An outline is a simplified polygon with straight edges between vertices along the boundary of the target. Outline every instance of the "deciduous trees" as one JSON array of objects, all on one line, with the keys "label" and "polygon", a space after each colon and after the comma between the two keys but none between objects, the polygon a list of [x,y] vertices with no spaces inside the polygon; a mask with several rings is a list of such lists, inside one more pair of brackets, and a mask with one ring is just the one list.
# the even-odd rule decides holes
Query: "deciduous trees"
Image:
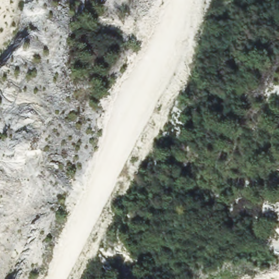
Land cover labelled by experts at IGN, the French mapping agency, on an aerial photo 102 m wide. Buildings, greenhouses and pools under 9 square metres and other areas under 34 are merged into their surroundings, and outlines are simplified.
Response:
[{"label": "deciduous trees", "polygon": [[222,78],[221,81],[206,82],[206,88],[211,94],[223,99],[223,112],[244,116],[246,109],[239,108],[242,101],[234,101],[234,97],[241,96],[247,90],[244,75],[248,66],[241,64],[235,74]]},{"label": "deciduous trees", "polygon": [[147,169],[139,167],[135,173],[139,178],[137,185],[144,187],[148,194],[139,193],[136,203],[122,201],[122,204],[128,207],[129,214],[133,217],[139,215],[150,222],[149,225],[133,223],[129,231],[120,232],[121,241],[130,256],[137,258],[139,254],[150,253],[157,266],[170,266],[174,274],[173,279],[193,279],[193,272],[198,270],[206,274],[207,271],[221,267],[225,262],[238,265],[242,258],[245,259],[252,257],[251,252],[262,252],[263,245],[268,243],[266,240],[259,239],[256,234],[251,236],[241,223],[228,229],[226,217],[218,214],[217,209],[222,209],[221,205],[203,207],[201,202],[195,202],[192,197],[177,198],[172,193],[166,195],[161,190],[163,185],[171,185],[174,191],[180,193],[198,186],[196,180],[183,177],[179,168],[157,163],[154,173],[150,173]]},{"label": "deciduous trees", "polygon": [[196,47],[201,52],[216,48],[226,49],[238,37],[238,29],[242,25],[262,17],[275,16],[276,23],[279,24],[279,0],[232,0],[229,21],[204,19],[201,24],[203,35],[195,40]]}]

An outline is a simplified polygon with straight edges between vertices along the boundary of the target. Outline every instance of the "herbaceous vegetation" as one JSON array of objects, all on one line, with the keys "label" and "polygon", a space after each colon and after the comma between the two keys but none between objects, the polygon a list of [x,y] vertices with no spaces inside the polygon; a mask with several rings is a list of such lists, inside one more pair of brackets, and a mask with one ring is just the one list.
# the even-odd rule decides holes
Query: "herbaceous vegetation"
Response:
[{"label": "herbaceous vegetation", "polygon": [[225,262],[221,267],[207,271],[206,274],[198,270],[193,272],[193,279],[254,279],[257,275],[255,267],[245,259],[242,258],[238,265]]},{"label": "herbaceous vegetation", "polygon": [[121,241],[120,232],[108,228],[99,247],[106,251],[113,250],[114,244]]}]

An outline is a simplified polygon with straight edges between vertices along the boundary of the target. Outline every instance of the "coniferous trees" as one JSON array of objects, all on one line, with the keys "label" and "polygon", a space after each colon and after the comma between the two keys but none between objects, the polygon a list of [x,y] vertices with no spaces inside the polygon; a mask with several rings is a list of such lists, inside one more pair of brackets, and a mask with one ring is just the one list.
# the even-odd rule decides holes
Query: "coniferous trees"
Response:
[{"label": "coniferous trees", "polygon": [[101,263],[100,258],[95,256],[88,260],[81,279],[173,279],[174,274],[170,266],[157,266],[150,253],[139,254],[137,258],[137,262],[130,263],[125,262],[122,255],[114,255],[109,256],[105,263]]},{"label": "coniferous trees", "polygon": [[204,19],[229,21],[232,0],[211,0]]},{"label": "coniferous trees", "polygon": [[139,215],[133,217],[129,214],[128,207],[122,204],[122,201],[136,203],[139,193],[148,194],[144,187],[137,185],[139,178],[135,173],[129,190],[124,195],[112,199],[114,217],[108,228],[120,232],[129,231],[133,223],[149,225],[150,222]]},{"label": "coniferous trees", "polygon": [[[182,111],[179,120],[185,125],[185,129],[181,130],[180,135],[173,132],[163,137],[157,136],[154,139],[153,150],[139,167],[147,169],[150,173],[154,173],[157,163],[179,168],[183,177],[196,180],[198,186],[180,193],[174,191],[171,185],[163,185],[161,190],[166,195],[172,193],[177,198],[192,197],[195,202],[201,202],[203,207],[221,205],[222,209],[217,209],[218,214],[226,217],[228,229],[241,223],[251,236],[256,234],[259,239],[266,240],[268,243],[263,245],[262,252],[251,252],[252,257],[245,259],[255,267],[264,270],[279,264],[279,24],[276,23],[275,16],[262,17],[242,25],[238,29],[238,37],[226,49],[216,48],[201,52],[196,47],[190,64],[189,80],[185,89],[180,90],[178,95],[178,108]],[[206,82],[221,81],[222,78],[235,74],[241,64],[248,66],[244,75],[247,90],[241,96],[234,97],[234,101],[242,101],[239,108],[246,109],[244,116],[223,112],[223,99],[211,94],[206,88]]]}]

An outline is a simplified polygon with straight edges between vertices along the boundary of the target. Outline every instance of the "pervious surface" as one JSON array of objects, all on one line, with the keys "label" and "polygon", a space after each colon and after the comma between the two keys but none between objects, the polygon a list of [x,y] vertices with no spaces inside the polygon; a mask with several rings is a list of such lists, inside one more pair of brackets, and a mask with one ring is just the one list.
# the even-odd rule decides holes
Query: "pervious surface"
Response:
[{"label": "pervious surface", "polygon": [[[137,258],[130,256],[121,241],[114,244],[113,250],[106,251],[99,247],[108,228],[114,217],[112,199],[124,195],[129,190],[135,173],[139,167],[153,150],[154,139],[157,136],[163,137],[173,132],[180,135],[181,130],[185,129],[185,125],[179,120],[182,111],[178,108],[178,95],[180,90],[185,89],[189,80],[190,64],[196,47],[195,40],[203,35],[201,24],[204,19],[211,0],[0,0],[0,279],[81,279],[88,260],[95,256],[100,258],[101,263],[105,263],[109,256],[114,255],[122,255],[125,262],[130,263],[137,262]],[[99,17],[102,24],[119,27],[124,40],[128,40],[132,34],[141,41],[141,49],[138,52],[128,50],[121,53],[116,65],[111,66],[107,78],[112,86],[109,88],[109,95],[100,99],[102,108],[98,112],[89,106],[93,87],[73,84],[71,70],[66,65],[70,51],[66,45],[66,38],[72,34],[69,20],[74,13],[92,14],[94,19]]]},{"label": "pervious surface", "polygon": [[255,267],[257,275],[254,279],[279,279],[279,264],[264,270]]}]

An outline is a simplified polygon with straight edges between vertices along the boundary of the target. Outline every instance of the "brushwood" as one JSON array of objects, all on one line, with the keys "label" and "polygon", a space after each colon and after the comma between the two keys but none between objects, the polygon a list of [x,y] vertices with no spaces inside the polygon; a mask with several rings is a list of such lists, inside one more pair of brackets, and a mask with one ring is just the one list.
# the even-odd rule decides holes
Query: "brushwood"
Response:
[{"label": "brushwood", "polygon": [[119,27],[102,24],[99,17],[94,19],[92,14],[74,13],[69,20],[72,34],[66,38],[66,45],[70,51],[66,65],[71,70],[73,84],[93,87],[89,106],[98,112],[102,108],[100,99],[109,95],[109,88],[112,86],[107,78],[111,66],[116,65],[121,53],[128,50],[138,52],[141,49],[141,41],[132,34],[128,40],[124,40]]}]

